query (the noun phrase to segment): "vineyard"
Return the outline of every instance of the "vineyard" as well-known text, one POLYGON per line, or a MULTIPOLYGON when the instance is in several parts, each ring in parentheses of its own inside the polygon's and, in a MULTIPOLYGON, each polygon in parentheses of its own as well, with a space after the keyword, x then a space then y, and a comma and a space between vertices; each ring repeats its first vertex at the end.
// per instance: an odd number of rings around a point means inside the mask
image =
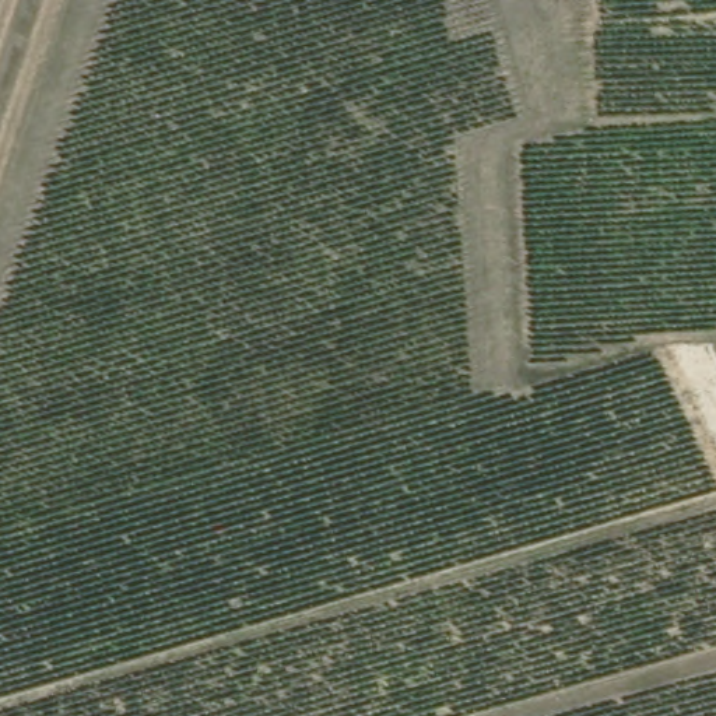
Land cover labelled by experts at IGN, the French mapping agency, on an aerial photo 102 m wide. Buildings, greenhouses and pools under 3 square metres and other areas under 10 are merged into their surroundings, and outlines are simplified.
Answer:
POLYGON ((78 95, 73 109, 73 126, 59 140, 59 162, 53 162, 53 171, 45 179, 42 207, 34 215, 25 246, 17 252, 8 296, 0 305, 0 716, 716 716, 716 478, 694 439, 691 422, 685 420, 674 397, 674 389, 660 361, 652 352, 646 352, 638 336, 694 333, 716 327, 716 0, 599 0, 601 25, 596 31, 593 45, 596 78, 601 81, 596 98, 599 115, 674 115, 677 123, 585 126, 582 134, 559 134, 551 143, 523 145, 520 162, 529 249, 531 361, 537 364, 534 369, 517 369, 517 378, 531 386, 531 394, 509 397, 470 389, 467 313, 461 280, 464 257, 461 235, 456 227, 459 199, 450 187, 456 171, 453 157, 445 154, 445 148, 453 143, 453 134, 459 131, 481 129, 495 120, 512 120, 515 106, 503 84, 503 76, 498 73, 492 34, 450 39, 445 28, 445 0, 115 0, 109 6, 103 39, 95 48, 92 67, 84 76, 87 92, 78 95))

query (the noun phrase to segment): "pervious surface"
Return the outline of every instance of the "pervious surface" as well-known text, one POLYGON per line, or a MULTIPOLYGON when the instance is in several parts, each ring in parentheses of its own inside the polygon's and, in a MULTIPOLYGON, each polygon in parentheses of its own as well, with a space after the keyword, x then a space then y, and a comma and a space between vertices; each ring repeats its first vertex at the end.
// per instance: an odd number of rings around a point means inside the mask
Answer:
POLYGON ((0 0, 0 59, 20 0, 0 0))
POLYGON ((710 344, 674 347, 682 378, 694 389, 702 408, 702 420, 708 422, 708 431, 716 439, 716 352, 710 344))
POLYGON ((0 182, 17 140, 28 92, 34 87, 39 67, 45 64, 64 0, 42 0, 28 36, 28 50, 22 56, 6 112, 0 117, 0 182))

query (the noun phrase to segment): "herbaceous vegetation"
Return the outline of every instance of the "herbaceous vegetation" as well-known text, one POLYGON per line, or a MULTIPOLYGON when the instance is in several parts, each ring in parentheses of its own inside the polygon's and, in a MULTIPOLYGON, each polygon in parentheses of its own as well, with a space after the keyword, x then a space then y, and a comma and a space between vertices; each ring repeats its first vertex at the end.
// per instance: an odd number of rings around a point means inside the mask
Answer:
POLYGON ((682 378, 674 347, 710 344, 716 352, 716 327, 694 333, 638 336, 646 352, 652 352, 660 361, 674 389, 674 397, 685 420, 691 422, 694 439, 716 478, 716 439, 708 431, 708 422, 702 420, 702 408, 694 389, 682 378))
POLYGON ((64 0, 45 64, 39 67, 34 87, 28 92, 17 140, 0 182, 0 305, 8 296, 17 252, 25 246, 34 215, 42 207, 45 179, 53 171, 53 162, 59 162, 59 140, 73 126, 73 109, 78 95, 87 92, 84 76, 92 67, 95 48, 103 39, 109 6, 115 0, 64 0))
POLYGON ((0 59, 0 117, 6 112, 22 56, 28 50, 28 36, 42 0, 20 0, 0 59))
POLYGON ((453 134, 453 143, 445 148, 445 154, 453 157, 456 171, 450 187, 459 199, 456 227, 461 235, 464 257, 461 280, 467 313, 470 389, 509 397, 531 394, 531 386, 517 378, 517 369, 534 369, 537 364, 531 361, 529 249, 520 162, 523 145, 551 143, 559 134, 582 134, 585 126, 677 123, 674 115, 599 115, 596 98, 601 81, 596 78, 593 45, 596 31, 601 25, 599 0, 445 0, 445 28, 450 39, 492 34, 498 73, 503 76, 503 84, 515 106, 512 120, 495 120, 481 129, 459 131, 453 134))

